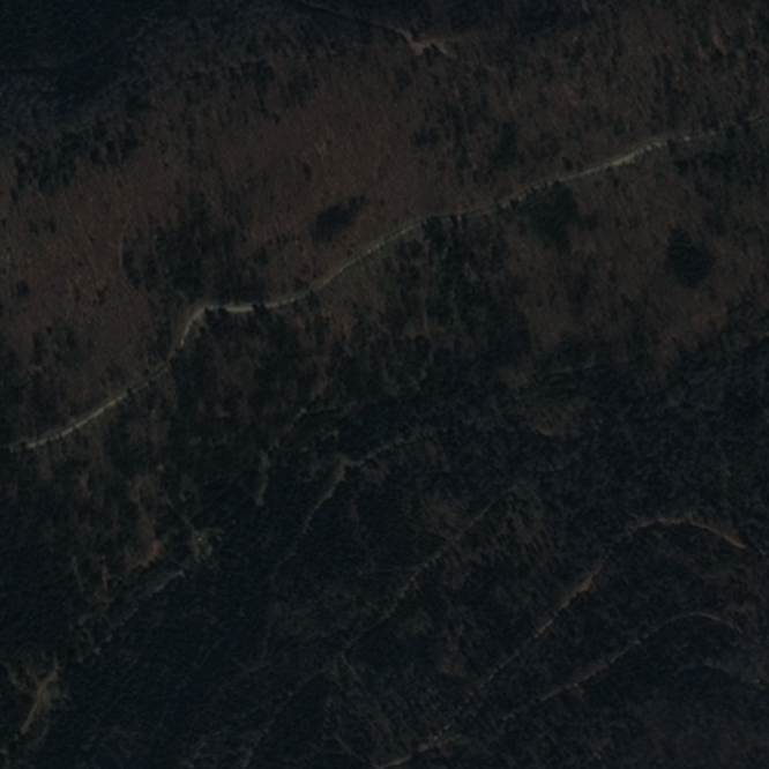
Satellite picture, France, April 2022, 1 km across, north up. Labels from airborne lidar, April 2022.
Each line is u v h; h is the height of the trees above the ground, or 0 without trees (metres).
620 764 15
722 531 25
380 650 7
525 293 17
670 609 8
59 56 19
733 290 19
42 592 26
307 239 17
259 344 11
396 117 17
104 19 16
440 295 16
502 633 7
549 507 7
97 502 23
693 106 25
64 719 6
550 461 30
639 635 6
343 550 7
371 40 15
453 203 16
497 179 17
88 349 24
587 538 24
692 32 20
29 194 15
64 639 26
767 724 20
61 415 23
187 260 21
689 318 18
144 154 16
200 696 10
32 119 22
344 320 19
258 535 11
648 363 23
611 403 15
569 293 18
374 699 23
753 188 23
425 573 10
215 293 16
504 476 29
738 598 9
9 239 17
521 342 18
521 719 30
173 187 16
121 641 11
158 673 7
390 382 20
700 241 18
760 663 32
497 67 18
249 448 16
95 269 21
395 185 18
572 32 19
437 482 14
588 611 9
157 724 6
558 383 19
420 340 14
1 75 11
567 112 20
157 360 21
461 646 6
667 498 9
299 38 15
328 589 7
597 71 20
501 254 24
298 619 7
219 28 24
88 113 20
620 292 18
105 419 15
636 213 14
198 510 15
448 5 15
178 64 21
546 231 15
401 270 16
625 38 20
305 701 9
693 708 15
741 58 22
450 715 29
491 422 29
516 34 16
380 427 21
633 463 19
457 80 16
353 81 15
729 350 11
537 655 24
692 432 24
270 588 17
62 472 25
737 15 18
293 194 15
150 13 12
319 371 20
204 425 16
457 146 14
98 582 29
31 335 22
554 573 11
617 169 11
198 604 8
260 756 7
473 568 12
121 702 8
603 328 20
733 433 28
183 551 10
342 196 13
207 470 25
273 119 15
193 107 15
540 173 13
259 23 26
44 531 29
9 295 19
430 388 19
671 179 17
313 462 13
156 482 14
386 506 6
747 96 20
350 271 16
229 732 7
